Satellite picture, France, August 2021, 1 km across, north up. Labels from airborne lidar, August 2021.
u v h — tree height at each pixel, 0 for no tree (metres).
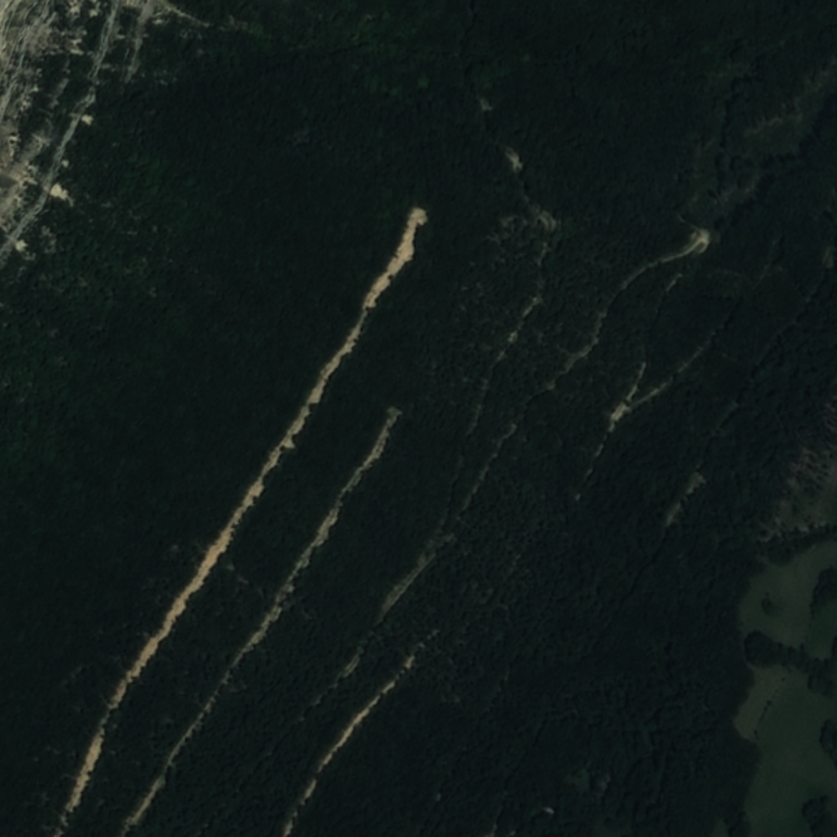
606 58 27
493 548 16
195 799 18
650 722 14
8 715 18
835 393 20
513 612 12
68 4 6
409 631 18
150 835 19
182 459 16
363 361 9
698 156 20
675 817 20
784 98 19
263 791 20
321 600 18
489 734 19
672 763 24
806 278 19
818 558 0
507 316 15
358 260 13
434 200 12
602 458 12
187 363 16
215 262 13
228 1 9
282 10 8
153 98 14
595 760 16
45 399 14
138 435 16
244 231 12
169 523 20
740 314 19
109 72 13
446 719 11
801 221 26
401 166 14
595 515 15
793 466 23
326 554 14
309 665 17
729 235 13
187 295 17
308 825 10
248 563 19
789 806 0
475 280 16
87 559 17
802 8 25
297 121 16
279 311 9
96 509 17
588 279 13
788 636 0
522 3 26
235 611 17
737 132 20
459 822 19
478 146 21
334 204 14
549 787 18
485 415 10
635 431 10
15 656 17
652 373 10
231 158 17
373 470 15
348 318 12
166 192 13
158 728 17
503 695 16
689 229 11
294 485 18
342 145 10
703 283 6
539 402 18
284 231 11
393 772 9
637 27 28
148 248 12
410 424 14
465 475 12
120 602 15
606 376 8
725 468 19
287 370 18
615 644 18
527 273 13
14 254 6
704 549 19
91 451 12
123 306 15
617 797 17
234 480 16
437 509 16
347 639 16
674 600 25
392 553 14
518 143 21
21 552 14
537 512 16
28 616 16
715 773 24
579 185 17
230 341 17
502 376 13
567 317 8
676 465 14
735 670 20
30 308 17
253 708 15
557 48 30
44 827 20
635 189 20
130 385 16
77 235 15
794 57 24
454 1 25
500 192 20
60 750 16
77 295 24
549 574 16
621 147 23
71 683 20
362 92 17
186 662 20
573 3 21
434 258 18
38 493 17
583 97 19
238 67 18
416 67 15
